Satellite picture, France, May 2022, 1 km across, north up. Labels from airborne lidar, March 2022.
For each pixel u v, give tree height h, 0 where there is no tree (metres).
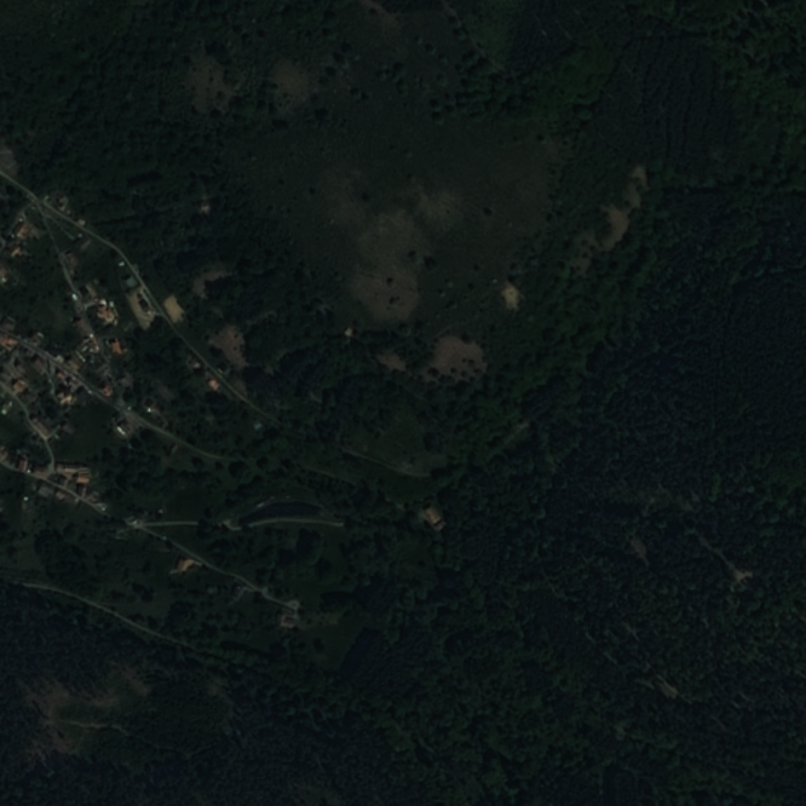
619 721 24
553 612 24
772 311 20
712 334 19
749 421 18
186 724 8
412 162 0
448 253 0
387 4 19
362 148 0
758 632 28
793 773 31
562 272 14
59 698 0
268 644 0
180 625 23
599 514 33
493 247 0
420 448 0
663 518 7
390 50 0
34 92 16
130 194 8
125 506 0
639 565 33
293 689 14
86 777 32
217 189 7
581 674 28
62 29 7
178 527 0
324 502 20
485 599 19
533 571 15
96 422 0
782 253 29
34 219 0
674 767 29
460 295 0
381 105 0
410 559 0
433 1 21
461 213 0
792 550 29
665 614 30
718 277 17
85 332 0
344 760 31
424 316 0
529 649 25
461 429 21
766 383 22
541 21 13
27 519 0
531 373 18
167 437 0
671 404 25
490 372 7
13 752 33
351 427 6
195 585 0
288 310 14
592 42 15
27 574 0
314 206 0
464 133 0
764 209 30
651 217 7
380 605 30
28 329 0
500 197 0
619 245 7
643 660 28
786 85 27
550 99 23
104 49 9
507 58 18
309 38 10
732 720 35
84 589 17
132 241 8
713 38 26
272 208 7
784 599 27
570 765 20
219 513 0
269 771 32
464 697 20
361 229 0
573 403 21
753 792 30
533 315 8
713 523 26
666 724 30
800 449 23
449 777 34
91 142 11
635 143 19
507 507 12
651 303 28
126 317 0
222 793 31
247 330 9
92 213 8
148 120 8
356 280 0
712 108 18
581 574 31
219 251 18
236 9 8
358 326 7
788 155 8
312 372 27
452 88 0
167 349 7
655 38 21
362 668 26
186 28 11
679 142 18
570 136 9
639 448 28
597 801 31
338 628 0
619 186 7
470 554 20
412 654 37
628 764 31
